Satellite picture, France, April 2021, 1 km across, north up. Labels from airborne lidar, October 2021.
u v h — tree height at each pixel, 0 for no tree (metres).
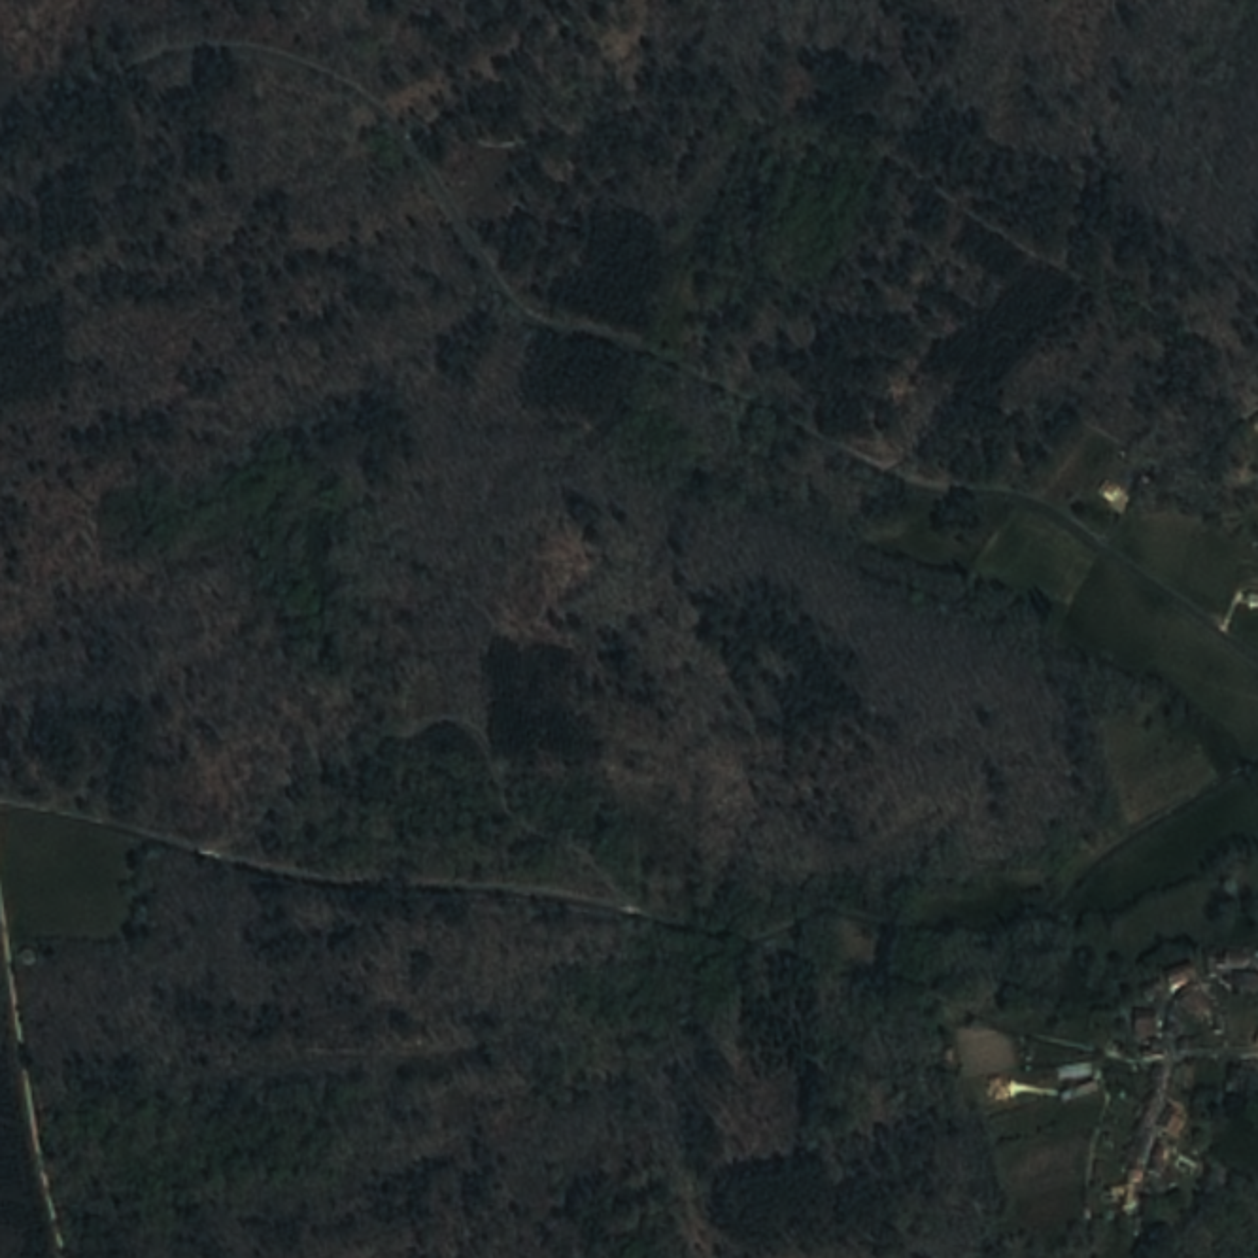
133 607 13
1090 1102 0
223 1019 10
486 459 14
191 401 12
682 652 12
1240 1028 0
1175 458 21
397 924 25
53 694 14
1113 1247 0
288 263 14
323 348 16
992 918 0
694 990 16
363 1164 13
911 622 16
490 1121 6
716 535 17
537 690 7
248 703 14
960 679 17
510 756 8
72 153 28
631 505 17
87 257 14
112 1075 15
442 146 18
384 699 13
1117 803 18
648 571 10
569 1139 16
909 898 24
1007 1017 22
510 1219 11
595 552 21
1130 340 13
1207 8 23
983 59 12
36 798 15
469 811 17
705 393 13
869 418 23
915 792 14
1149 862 0
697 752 8
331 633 13
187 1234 11
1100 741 17
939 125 15
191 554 11
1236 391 14
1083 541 0
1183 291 16
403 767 20
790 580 16
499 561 16
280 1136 12
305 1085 10
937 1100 17
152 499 19
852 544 20
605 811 9
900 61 6
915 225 6
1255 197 13
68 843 0
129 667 9
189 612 13
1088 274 22
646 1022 25
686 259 19
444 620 14
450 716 12
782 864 18
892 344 23
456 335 11
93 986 8
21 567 21
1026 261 9
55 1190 9
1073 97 14
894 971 23
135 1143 16
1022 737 13
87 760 17
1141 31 25
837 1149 14
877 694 14
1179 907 0
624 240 19
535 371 19
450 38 22
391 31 16
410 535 12
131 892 9
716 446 19
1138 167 15
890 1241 26
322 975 12
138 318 15
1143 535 0
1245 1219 24
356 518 15
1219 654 0
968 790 13
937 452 27
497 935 13
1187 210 16
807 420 22
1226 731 0
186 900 14
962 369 16
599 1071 16
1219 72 16
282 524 15
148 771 21
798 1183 25
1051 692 13
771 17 13
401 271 12
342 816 10
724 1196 26
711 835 8
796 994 12
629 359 15
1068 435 29
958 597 19
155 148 11
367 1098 23
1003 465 27
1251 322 15
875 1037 22
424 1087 17
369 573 12
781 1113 5
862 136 20
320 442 23
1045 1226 0
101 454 23
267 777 18
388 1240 6
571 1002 19
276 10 24
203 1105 17
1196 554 0
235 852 7
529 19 21
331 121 13
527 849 11
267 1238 15
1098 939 0
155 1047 14
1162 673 0
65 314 18
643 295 22
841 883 11
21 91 7
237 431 18
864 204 17
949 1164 17
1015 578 0
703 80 9
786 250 21
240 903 13
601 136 18
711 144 10
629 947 13
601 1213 24
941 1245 14
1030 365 12
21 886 0
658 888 20
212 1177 13
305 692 19
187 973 11
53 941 6
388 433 26
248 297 13
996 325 14
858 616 19
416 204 15
